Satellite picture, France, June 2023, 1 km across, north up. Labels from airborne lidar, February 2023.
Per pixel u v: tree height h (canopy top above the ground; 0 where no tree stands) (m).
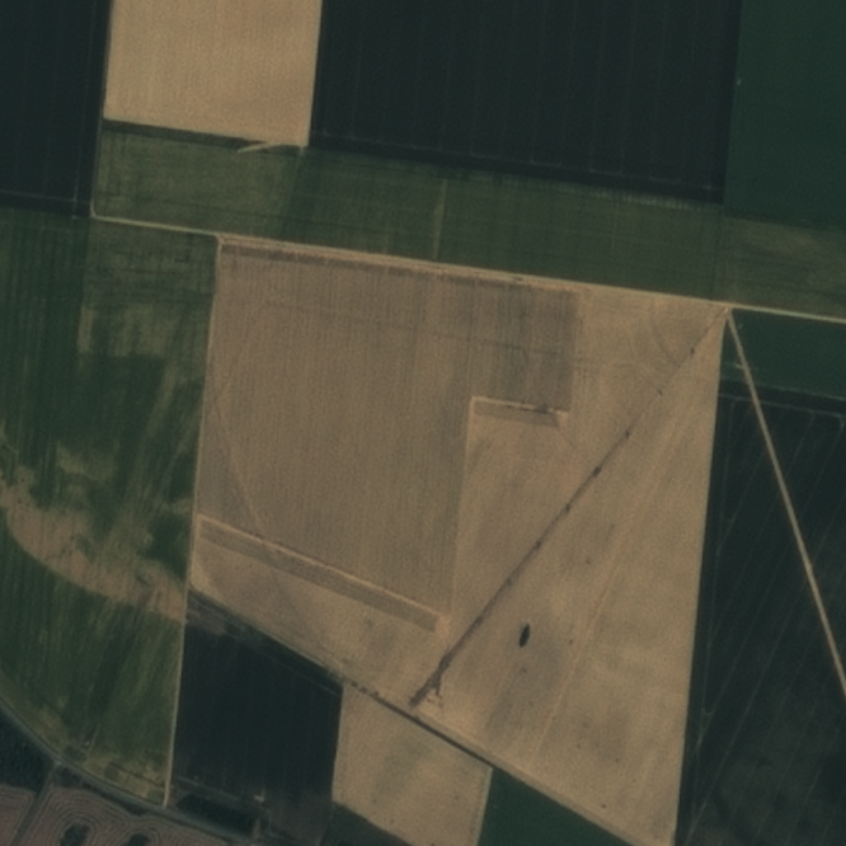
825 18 0
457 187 0
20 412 0
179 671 0
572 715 0
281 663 0
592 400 0
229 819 9
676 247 0
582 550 0
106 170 0
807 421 0
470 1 0
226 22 0
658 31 0
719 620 0
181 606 0
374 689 0
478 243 0
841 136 0
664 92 0
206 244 0
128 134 0
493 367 0
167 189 0
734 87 0
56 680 0
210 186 0
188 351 0
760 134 0
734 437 0
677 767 0
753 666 0
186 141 0
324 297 0
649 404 0
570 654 0
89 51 0
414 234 0
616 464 0
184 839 0
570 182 0
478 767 0
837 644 0
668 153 0
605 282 0
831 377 0
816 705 0
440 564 0
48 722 0
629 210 0
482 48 0
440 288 0
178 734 0
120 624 0
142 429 0
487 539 0
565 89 0
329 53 0
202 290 0
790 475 0
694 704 0
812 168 0
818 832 0
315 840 0
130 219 0
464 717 0
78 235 0
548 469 0
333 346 0
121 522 0
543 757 0
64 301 0
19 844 0
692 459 0
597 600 0
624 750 0
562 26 0
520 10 0
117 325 0
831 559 0
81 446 0
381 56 0
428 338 0
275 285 0
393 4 0
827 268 0
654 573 0
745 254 0
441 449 0
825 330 0
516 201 0
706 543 0
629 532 0
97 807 0
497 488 0
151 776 0
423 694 0
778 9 0
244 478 0
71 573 0
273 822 0
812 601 0
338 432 0
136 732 0
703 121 0
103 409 0
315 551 0
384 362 0
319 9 0
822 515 0
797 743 0
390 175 0
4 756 6
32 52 0
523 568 0
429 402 0
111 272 0
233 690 0
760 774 0
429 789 0
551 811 0
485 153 0
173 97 0
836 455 0
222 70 0
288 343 0
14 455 0
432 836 0
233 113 0
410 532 0
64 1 0
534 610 0
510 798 0
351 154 0
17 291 0
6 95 0
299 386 0
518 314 0
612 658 0
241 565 0
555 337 0
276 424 0
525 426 0
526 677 0
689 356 0
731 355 0
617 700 0
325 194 0
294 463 0
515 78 0
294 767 0
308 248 0
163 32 0
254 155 0
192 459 0
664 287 0
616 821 0
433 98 0
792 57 0
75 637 0
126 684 0
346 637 0
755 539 0
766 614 0
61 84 0
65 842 8
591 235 0
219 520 0
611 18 0
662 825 0
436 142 0
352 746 0
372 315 0
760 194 0
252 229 0
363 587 0
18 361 0
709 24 0
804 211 0
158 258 0
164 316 0
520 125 0
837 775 0
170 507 0
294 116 0
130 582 0
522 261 0
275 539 0
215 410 0
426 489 0
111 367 0
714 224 0
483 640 0
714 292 0
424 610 0
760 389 0
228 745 0
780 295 0
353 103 0
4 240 0
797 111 0
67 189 0
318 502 0
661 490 0
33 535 0
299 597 0
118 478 0
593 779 0
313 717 0
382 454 0
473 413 0
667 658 0
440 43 0
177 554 0
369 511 0
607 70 0
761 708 0
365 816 0
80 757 0
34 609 0
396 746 0
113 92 0
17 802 0
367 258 0
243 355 0
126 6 0
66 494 0
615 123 0
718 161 0
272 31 0
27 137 0
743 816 0
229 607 0
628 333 0
